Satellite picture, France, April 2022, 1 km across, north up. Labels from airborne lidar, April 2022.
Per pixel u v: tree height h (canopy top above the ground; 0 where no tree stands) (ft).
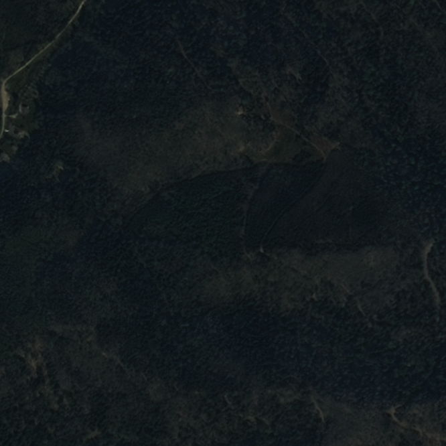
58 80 58
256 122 69
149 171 61
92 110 88
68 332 68
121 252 90
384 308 59
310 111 83
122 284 101
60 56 52
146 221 20
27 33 39
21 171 59
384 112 57
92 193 109
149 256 103
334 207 31
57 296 94
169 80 54
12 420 74
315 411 73
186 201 31
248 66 37
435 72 27
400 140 48
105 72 86
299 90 47
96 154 60
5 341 32
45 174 63
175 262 88
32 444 28
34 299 50
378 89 39
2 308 64
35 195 100
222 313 108
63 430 95
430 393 27
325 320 87
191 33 122
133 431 83
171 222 24
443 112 43
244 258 27
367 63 75
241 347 99
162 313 113
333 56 94
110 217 68
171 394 63
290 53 102
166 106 54
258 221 27
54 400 45
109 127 79
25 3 52
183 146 62
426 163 67
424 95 50
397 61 52
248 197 32
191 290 54
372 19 33
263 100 33
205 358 72
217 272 38
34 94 24
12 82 0
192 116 47
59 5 73
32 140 46
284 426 80
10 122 27
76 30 89
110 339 72
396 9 31
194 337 82
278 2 113
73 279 105
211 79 68
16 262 54
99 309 57
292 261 51
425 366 95
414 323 62
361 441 81
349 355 86
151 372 83
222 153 62
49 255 43
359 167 24
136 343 75
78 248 39
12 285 63
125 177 57
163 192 37
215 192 24
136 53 105
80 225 34
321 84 101
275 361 92
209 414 83
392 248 45
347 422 54
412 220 37
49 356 98
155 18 84
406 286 77
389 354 94
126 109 94
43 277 101
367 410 58
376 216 30
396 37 32
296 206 31
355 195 31
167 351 92
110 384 70
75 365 81
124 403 56
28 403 55
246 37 89
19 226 76
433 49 25
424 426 73
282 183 32
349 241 25
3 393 76
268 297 99
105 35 91
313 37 108
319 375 71
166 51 118
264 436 45
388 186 29
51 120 86
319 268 51
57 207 110
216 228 36
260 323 93
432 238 42
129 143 65
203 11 36
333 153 34
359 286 66
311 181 35
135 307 94
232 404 76
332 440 52
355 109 51
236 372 78
